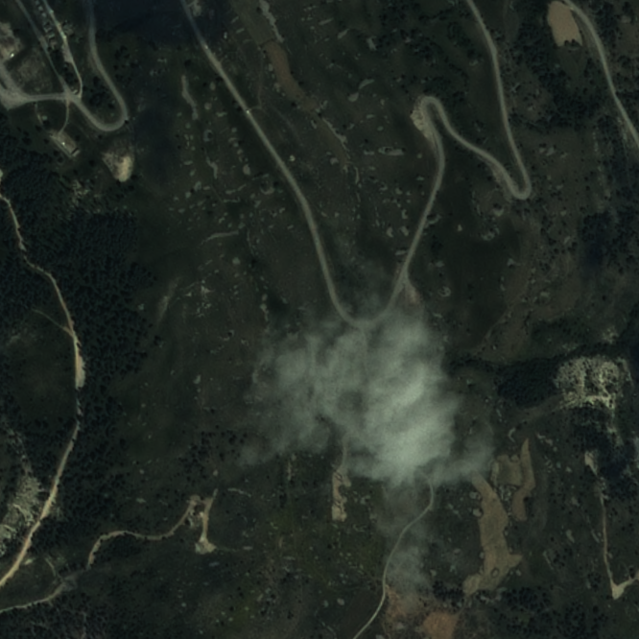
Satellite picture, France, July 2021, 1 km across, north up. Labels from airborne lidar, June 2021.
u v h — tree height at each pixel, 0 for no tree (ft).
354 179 0
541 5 35
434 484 0
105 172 0
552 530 0
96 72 0
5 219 77
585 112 41
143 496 0
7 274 88
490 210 0
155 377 0
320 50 0
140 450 0
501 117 0
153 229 0
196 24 0
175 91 0
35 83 0
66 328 0
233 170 0
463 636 0
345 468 0
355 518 0
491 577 0
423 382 0
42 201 74
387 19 38
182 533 0
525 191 0
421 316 0
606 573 0
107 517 28
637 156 0
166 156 0
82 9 0
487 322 0
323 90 0
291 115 0
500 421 0
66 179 58
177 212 0
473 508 0
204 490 0
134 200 0
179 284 0
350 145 0
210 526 0
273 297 0
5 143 89
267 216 0
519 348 0
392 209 0
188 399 0
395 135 0
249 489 0
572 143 0
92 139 0
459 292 0
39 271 0
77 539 56
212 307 0
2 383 58
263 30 0
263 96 0
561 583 0
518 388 25
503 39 22
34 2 0
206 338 0
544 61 18
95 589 0
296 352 0
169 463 0
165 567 0
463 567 0
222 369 0
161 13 0
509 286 0
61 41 0
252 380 0
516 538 0
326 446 0
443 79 27
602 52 0
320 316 0
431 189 0
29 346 0
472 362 34
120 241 79
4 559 28
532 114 0
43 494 32
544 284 0
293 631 0
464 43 35
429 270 0
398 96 0
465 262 0
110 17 0
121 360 65
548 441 0
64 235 23
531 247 0
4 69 0
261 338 0
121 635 27
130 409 0
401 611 0
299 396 0
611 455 27
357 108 0
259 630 0
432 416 0
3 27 0
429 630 0
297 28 0
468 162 0
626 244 33
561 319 23
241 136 0
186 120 0
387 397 0
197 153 0
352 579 0
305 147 0
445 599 30
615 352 29
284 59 0
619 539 0
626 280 0
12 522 0
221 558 0
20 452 23
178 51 19
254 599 0
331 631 0
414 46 25
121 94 0
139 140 0
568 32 0
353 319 0
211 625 0
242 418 0
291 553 0
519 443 0
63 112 0
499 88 0
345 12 0
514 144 0
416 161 0
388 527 0
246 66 0
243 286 0
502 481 0
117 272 71
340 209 0
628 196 25
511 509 0
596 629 24
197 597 0
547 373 26
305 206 0
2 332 94
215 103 0
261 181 0
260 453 0
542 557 0
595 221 25
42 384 0
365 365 0
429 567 0
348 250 0
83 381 0
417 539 0
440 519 0
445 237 0
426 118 0
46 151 0
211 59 0
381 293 0
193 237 0
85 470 50
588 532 0
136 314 46
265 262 0
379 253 0
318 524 0
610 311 0
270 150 0
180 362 0
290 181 0
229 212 0
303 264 0
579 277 0
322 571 0
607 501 24
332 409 0
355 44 0
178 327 0
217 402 0
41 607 57
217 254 0
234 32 0
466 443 0
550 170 0
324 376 0
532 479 0
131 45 0
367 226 0
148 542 21
